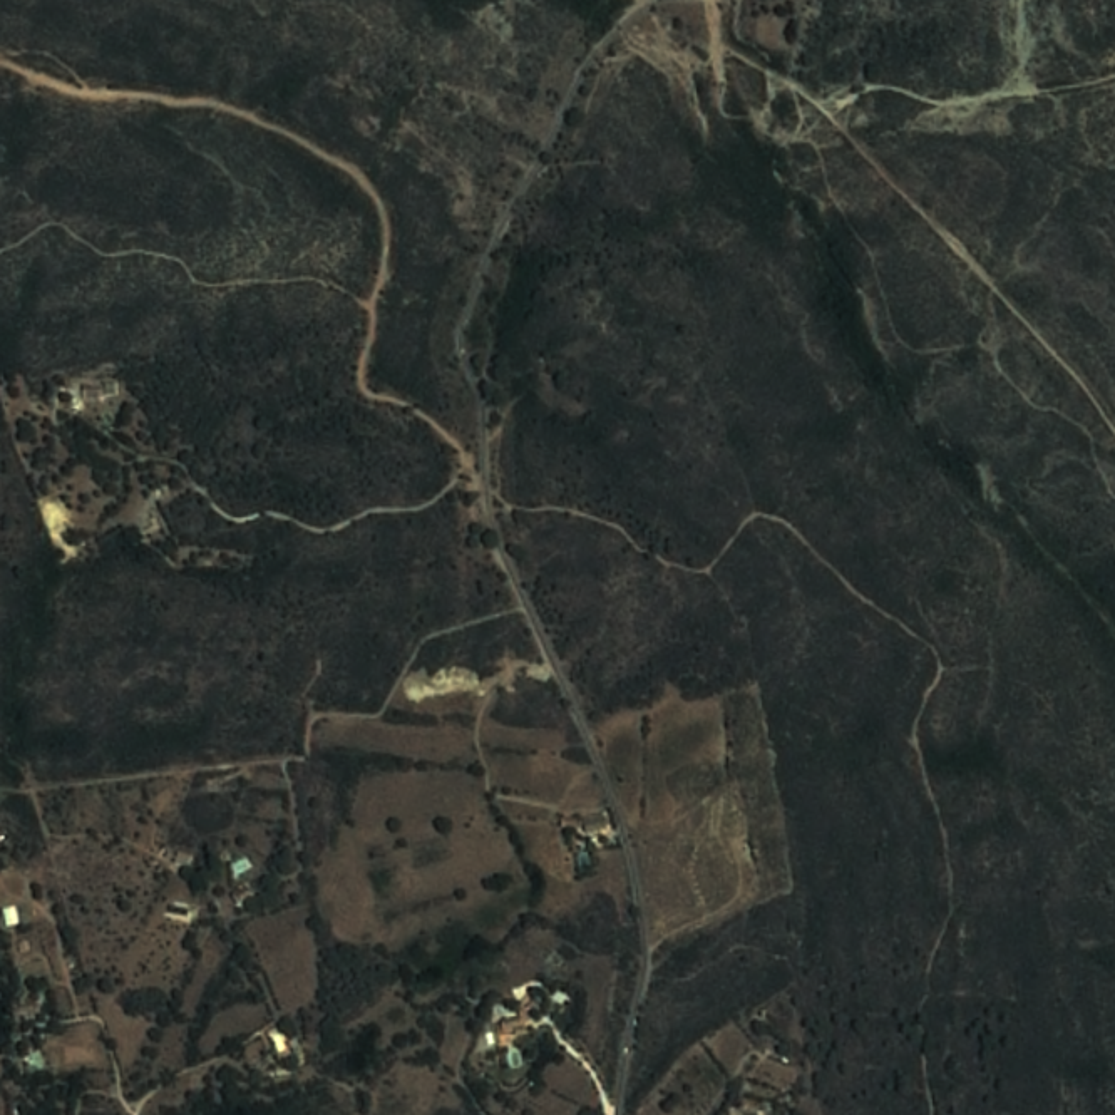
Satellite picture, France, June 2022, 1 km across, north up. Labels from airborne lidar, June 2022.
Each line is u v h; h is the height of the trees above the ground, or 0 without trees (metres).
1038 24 0
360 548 0
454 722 0
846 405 0
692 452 0
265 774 0
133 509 0
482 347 0
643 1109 0
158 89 0
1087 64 0
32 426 11
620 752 0
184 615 0
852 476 0
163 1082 6
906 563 0
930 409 0
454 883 0
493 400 14
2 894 0
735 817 0
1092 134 0
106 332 0
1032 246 0
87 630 0
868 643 0
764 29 0
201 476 11
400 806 0
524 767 0
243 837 9
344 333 0
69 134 0
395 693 0
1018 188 0
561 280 0
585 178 0
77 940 10
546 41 0
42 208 0
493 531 10
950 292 0
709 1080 0
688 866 0
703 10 0
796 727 0
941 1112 10
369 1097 8
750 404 0
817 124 0
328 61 0
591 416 8
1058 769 0
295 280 0
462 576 0
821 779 0
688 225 0
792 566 0
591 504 6
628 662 0
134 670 0
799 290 0
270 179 0
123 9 0
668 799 0
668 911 0
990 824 0
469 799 0
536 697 0
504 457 0
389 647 0
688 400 0
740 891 0
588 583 0
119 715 0
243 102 0
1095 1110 0
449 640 0
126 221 0
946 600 0
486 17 0
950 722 0
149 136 0
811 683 0
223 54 0
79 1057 0
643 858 0
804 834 0
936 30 7
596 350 0
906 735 0
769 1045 0
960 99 0
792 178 0
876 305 0
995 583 0
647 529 8
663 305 0
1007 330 0
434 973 9
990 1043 12
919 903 0
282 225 0
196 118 0
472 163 0
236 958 9
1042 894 8
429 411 0
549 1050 10
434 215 0
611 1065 0
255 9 0
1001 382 0
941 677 0
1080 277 0
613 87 0
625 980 0
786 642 0
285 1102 10
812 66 10
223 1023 0
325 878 0
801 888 0
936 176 0
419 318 0
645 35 0
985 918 0
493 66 0
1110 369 0
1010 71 0
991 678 0
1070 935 0
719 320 0
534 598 6
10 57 0
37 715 0
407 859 0
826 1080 9
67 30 0
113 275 0
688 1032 0
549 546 0
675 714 0
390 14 0
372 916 0
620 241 7
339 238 0
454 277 0
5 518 9
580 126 9
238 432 0
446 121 0
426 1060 6
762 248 0
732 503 0
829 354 0
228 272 0
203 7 0
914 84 0
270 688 6
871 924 0
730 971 0
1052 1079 0
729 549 0
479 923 0
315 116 0
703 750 0
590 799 0
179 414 7
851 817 0
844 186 0
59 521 0
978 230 0
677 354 0
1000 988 0
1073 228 0
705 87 12
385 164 0
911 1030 13
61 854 0
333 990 9
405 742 0
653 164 0
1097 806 0
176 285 0
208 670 0
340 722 0
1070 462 0
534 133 0
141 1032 0
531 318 7
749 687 0
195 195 0
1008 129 0
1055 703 0
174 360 5
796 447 0
